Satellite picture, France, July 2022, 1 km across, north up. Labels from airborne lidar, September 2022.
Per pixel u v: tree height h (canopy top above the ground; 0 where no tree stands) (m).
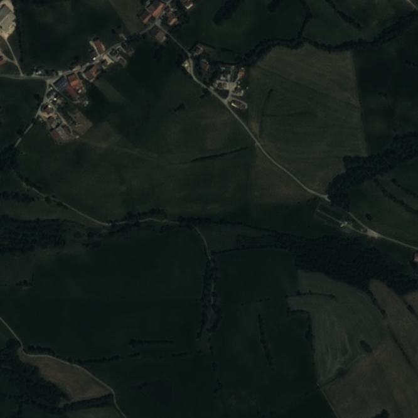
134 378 0
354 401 0
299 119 0
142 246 0
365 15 0
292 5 0
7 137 0
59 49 0
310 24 0
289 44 10
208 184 0
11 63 0
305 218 0
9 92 0
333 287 0
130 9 0
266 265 0
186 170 0
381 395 0
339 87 0
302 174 0
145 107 0
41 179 0
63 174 0
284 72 0
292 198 0
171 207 0
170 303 0
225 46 0
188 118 0
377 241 0
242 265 0
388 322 0
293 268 0
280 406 0
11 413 0
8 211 0
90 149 0
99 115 0
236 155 0
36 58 0
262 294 0
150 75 0
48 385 10
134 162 0
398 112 0
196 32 0
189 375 0
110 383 0
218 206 0
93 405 8
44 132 0
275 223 0
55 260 0
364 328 0
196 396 0
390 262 0
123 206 0
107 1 0
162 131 0
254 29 0
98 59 0
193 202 0
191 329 0
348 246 12
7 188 0
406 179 0
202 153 0
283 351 0
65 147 0
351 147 0
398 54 0
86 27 0
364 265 9
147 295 0
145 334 0
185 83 0
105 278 0
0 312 0
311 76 0
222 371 0
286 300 0
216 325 15
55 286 0
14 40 0
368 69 0
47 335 0
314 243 9
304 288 0
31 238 7
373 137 0
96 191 0
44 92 0
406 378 0
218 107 0
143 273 0
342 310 0
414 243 0
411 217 0
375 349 0
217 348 0
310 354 0
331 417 0
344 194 23
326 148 0
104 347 0
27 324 0
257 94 0
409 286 15
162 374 0
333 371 0
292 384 0
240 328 0
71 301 0
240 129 0
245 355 0
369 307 0
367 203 0
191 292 0
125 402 0
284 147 0
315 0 0
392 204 0
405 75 0
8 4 0
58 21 0
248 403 0
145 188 0
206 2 0
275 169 0
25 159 0
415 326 0
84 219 0
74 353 0
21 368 9
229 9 23
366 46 13
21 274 0
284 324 0
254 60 19
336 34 0
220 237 0
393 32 19
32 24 0
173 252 0
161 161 0
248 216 0
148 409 0
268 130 0
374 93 0
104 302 0
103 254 0
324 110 0
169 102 0
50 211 0
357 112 0
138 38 17
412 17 19
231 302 0
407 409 0
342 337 0
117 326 0
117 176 0
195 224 16
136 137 0
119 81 0
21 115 0
